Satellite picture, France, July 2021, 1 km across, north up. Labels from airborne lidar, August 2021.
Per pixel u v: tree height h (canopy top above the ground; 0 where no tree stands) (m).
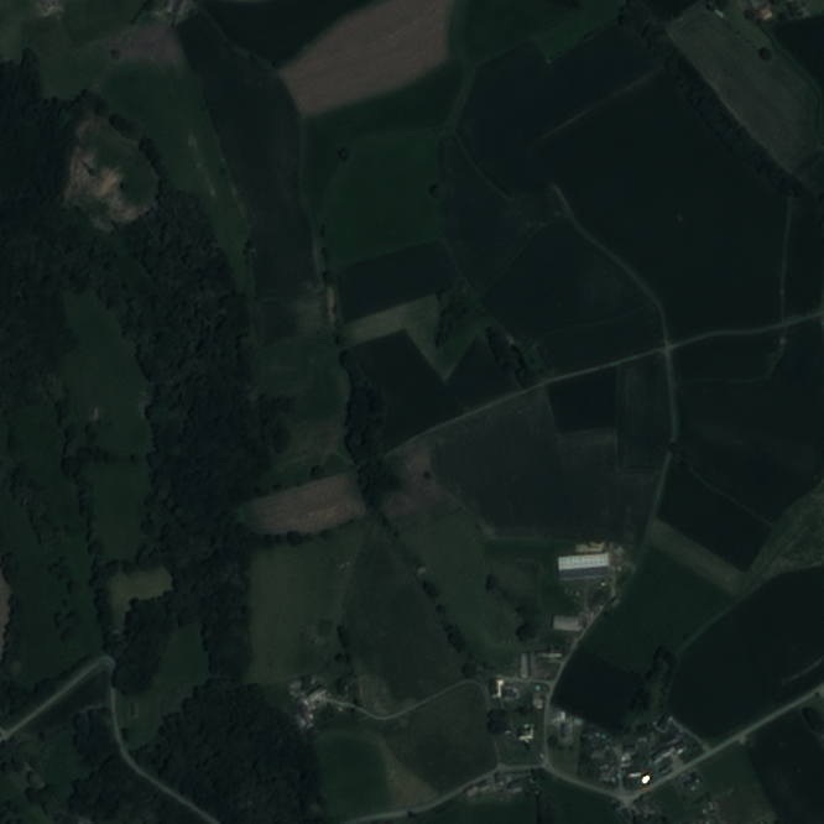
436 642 0
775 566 0
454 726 0
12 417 9
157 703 0
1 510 14
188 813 24
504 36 0
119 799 21
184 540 29
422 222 0
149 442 0
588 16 0
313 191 0
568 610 0
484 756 0
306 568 0
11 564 20
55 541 14
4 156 23
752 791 0
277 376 0
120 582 0
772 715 0
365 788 0
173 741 23
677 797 0
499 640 0
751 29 0
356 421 23
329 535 13
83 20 0
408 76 0
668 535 0
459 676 0
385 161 0
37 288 14
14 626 16
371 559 0
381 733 0
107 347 0
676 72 6
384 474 19
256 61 7
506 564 0
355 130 0
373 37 0
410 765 0
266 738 21
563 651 7
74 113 28
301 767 23
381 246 0
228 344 23
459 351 0
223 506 30
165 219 24
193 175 0
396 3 0
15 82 19
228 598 31
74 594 20
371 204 0
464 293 9
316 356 0
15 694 20
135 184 0
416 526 0
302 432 0
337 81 0
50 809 17
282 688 0
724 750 0
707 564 0
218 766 26
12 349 20
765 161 22
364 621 0
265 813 25
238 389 23
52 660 0
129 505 0
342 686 8
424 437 0
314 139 0
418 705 0
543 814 11
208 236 24
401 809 0
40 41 0
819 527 0
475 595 0
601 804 0
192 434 30
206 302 25
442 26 0
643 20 17
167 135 0
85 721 22
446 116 0
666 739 5
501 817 0
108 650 16
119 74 0
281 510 0
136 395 0
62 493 0
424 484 0
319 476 17
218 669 20
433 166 0
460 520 0
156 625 29
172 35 0
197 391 20
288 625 0
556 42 0
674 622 0
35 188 16
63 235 15
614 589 0
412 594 0
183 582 19
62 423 15
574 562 0
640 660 0
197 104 0
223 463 34
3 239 20
